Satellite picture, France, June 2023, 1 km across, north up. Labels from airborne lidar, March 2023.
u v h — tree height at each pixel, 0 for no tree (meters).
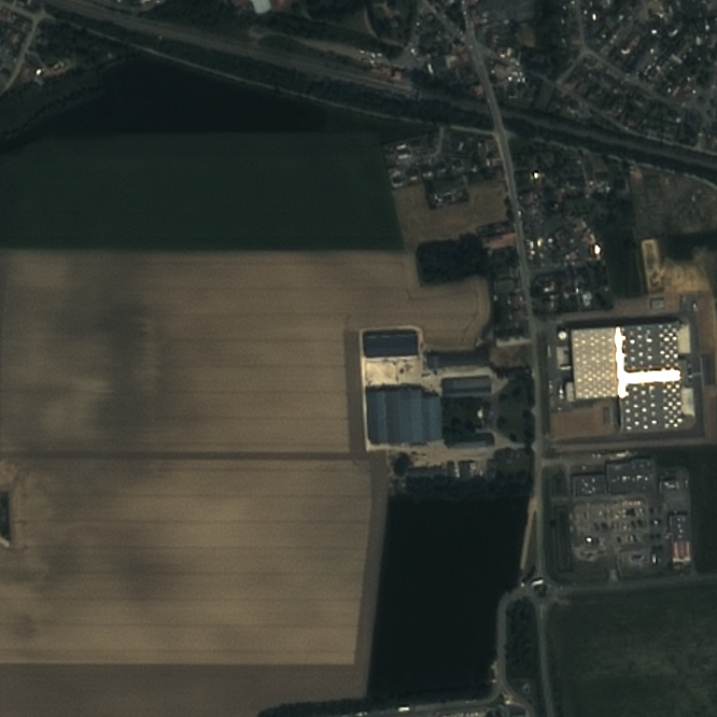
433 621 0
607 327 0
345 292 0
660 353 0
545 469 0
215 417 0
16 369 0
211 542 0
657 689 0
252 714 0
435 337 0
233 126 0
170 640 0
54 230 0
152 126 0
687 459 0
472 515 0
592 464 0
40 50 18
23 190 0
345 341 0
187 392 0
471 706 0
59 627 0
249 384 0
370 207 0
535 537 0
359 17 0
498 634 0
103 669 0
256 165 0
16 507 0
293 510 0
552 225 0
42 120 0
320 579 0
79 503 0
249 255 0
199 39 0
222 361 0
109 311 0
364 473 0
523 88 9
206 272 0
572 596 0
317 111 0
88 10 0
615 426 0
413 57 0
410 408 0
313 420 0
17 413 0
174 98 0
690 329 0
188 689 0
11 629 0
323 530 0
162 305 0
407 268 0
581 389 0
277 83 7
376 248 0
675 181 0
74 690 0
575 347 0
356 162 0
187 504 0
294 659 0
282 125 0
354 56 0
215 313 0
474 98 6
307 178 0
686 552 0
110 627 0
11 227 0
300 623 0
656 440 0
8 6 0
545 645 0
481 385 0
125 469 0
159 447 0
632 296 0
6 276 0
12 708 0
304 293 0
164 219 0
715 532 0
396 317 0
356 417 0
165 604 0
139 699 0
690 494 0
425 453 0
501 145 0
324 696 0
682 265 0
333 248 0
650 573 0
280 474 0
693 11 0
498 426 10
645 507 0
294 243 0
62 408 0
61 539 0
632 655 0
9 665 0
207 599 0
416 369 0
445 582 0
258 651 0
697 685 0
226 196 0
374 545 0
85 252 0
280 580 0
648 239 0
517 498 0
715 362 0
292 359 0
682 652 0
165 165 0
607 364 0
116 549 0
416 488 17
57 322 0
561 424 0
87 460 0
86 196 0
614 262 0
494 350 0
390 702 5
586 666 0
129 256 0
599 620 0
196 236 0
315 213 0
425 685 0
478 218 0
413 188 0
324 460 0
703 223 0
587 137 0
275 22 11
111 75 0
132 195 0
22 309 0
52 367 0
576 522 0
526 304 0
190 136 0
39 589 0
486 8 0
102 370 0
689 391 0
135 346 0
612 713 0
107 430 0
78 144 0
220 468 0
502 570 0
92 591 0
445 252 24
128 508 0
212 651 0
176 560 0
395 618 0
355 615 0
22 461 0
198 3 6
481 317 0
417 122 0
